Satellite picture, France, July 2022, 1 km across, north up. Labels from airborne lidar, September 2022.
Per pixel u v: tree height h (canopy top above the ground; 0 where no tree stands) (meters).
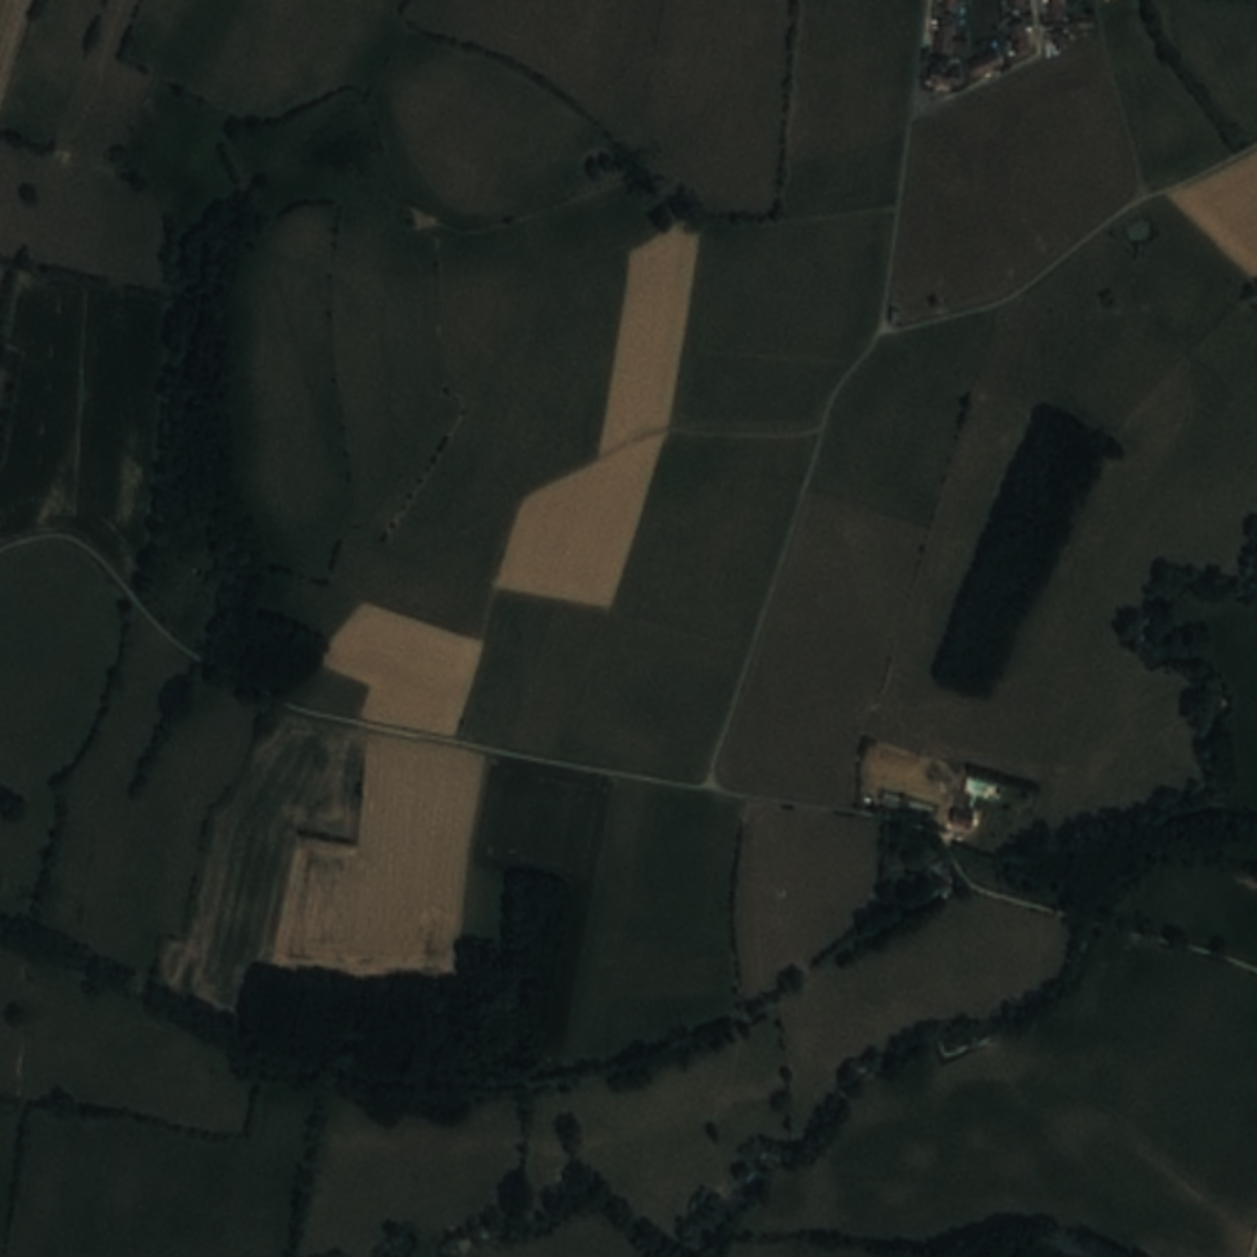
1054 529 22
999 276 0
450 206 0
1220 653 0
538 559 0
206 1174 0
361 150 0
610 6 0
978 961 0
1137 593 0
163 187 0
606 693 0
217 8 0
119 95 0
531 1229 15
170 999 16
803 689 0
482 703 0
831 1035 0
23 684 0
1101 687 0
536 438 0
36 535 0
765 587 0
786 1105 12
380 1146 0
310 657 14
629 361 0
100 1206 0
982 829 0
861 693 0
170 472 12
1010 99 0
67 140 0
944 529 0
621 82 0
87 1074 0
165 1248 0
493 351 0
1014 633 16
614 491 0
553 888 18
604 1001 0
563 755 0
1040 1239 15
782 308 0
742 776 0
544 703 0
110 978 20
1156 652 7
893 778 0
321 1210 0
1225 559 0
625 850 0
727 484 0
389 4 0
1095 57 0
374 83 0
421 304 0
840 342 0
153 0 0
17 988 0
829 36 0
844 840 0
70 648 0
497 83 0
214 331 22
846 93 0
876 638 0
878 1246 13
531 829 0
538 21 0
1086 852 18
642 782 0
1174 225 0
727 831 0
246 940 0
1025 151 0
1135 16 0
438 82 0
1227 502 0
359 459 0
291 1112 0
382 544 0
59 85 0
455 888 0
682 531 0
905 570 0
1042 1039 0
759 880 0
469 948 16
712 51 0
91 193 0
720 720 0
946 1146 0
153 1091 0
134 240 0
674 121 0
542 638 0
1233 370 0
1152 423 0
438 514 0
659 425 0
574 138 0
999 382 0
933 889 15
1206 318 0
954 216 0
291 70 0
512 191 0
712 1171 0
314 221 0
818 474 0
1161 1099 0
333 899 0
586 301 0
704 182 0
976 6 0
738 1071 0
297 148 0
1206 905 0
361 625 0
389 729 0
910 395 0
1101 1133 0
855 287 0
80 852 0
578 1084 12
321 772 0
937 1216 0
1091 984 0
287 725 0
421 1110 15
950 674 18
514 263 0
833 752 0
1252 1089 0
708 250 0
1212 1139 0
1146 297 0
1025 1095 0
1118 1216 0
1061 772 0
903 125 0
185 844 0
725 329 0
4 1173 0
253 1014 18
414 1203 0
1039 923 0
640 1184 0
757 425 0
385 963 0
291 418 0
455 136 0
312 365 0
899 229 0
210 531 8
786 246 0
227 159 11
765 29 0
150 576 14
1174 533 0
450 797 0
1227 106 0
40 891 6
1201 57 0
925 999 0
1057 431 23
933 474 0
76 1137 0
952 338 0
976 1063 0
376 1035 21
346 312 0
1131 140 0
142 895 0
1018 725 0
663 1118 0
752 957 0
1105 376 0
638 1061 17
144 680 0
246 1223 0
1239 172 0
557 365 0
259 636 19
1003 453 0
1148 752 0
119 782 0
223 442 19
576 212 0
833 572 0
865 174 0
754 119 0
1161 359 0
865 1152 0
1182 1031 0
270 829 0
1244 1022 0
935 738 0
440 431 0
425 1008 22
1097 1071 0
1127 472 0
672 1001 0
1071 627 0
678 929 0
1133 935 15
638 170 6
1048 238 0
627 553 0
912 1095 0
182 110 0
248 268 0
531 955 23
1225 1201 0
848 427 0
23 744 0
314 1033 24
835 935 0
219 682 19
